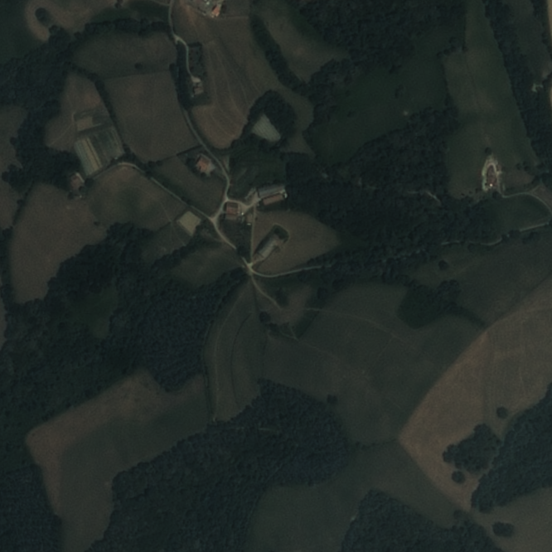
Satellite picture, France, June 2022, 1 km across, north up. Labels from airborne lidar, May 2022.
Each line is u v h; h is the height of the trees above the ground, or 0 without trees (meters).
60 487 0
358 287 0
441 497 0
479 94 0
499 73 0
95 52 0
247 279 12
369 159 9
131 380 0
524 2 0
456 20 15
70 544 0
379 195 18
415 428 0
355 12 23
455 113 20
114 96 0
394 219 32
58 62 13
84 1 0
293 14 0
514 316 0
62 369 15
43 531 7
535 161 0
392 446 0
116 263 10
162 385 13
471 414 0
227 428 15
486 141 0
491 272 0
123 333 23
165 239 0
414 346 0
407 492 0
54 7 0
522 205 0
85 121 0
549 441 22
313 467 22
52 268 0
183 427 0
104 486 0
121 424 0
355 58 17
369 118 0
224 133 0
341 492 0
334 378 0
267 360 0
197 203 0
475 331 0
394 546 17
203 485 21
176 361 12
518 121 0
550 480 19
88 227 0
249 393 0
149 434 0
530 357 0
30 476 15
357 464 0
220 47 0
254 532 0
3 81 16
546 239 0
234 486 16
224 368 0
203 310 12
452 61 0
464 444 15
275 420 21
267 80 0
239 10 0
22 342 17
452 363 0
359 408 0
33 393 6
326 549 0
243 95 0
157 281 10
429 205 20
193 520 14
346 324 0
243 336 0
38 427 0
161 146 0
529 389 0
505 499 21
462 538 15
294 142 0
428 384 0
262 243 6
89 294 25
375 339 0
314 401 13
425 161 7
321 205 23
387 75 0
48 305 13
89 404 0
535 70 0
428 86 0
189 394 0
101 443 0
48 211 0
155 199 0
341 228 26
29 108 9
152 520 25
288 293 0
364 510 17
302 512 0
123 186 0
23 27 0
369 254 12
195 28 0
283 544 0
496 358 0
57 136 0
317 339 0
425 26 13
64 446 0
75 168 16
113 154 0
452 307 9
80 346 16
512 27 19
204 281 0
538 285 0
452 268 0
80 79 0
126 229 17
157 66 0
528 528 0
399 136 14
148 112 0
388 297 0
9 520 16
